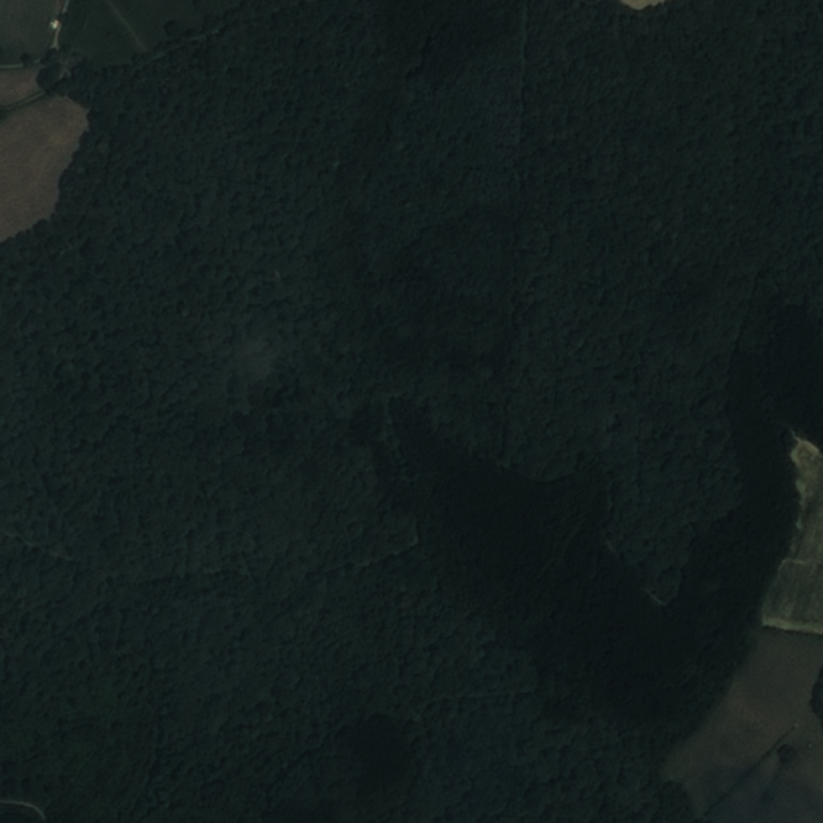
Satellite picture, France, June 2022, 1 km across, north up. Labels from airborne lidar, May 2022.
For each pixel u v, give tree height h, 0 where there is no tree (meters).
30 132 0
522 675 17
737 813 0
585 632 18
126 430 24
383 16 19
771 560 18
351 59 11
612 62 12
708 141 15
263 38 15
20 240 12
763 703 0
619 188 12
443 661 15
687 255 7
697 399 14
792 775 0
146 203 33
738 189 21
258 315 31
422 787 22
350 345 18
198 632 24
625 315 19
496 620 17
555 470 18
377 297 26
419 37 26
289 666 26
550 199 19
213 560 25
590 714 18
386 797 22
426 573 23
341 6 19
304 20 17
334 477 10
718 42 15
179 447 24
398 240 12
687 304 21
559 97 14
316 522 8
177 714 30
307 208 18
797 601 0
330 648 10
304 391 16
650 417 22
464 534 20
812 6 18
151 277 14
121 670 10
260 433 18
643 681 14
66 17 14
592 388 27
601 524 12
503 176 21
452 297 21
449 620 25
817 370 22
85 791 6
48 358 23
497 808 17
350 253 20
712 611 18
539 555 19
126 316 25
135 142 24
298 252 18
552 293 23
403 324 26
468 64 14
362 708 13
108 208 28
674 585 15
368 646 9
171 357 29
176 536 23
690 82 11
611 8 20
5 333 27
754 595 13
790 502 19
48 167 0
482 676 9
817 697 14
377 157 21
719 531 18
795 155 28
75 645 29
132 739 6
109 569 25
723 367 21
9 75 0
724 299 17
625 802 25
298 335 23
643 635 16
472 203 14
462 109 16
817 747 0
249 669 22
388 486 22
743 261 19
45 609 9
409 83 23
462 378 23
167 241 18
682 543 15
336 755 19
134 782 11
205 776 11
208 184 27
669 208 14
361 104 18
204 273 19
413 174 19
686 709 8
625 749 11
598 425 26
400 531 18
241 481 19
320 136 9
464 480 19
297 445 18
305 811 25
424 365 16
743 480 21
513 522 17
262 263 27
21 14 0
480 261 20
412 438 19
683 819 13
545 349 23
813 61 16
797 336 23
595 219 19
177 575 12
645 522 17
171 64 7
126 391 23
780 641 0
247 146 20
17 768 20
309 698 18
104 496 17
